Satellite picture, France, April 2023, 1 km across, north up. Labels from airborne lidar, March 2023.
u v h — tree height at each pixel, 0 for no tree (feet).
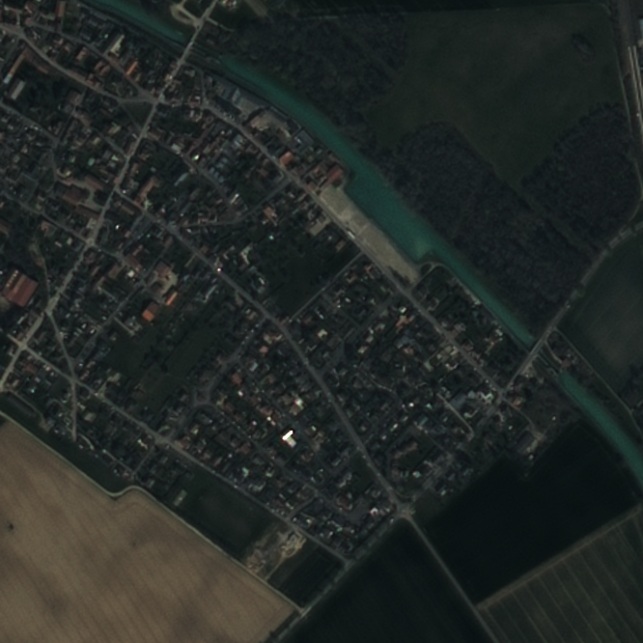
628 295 0
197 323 0
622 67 22
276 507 0
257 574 0
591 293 0
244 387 0
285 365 0
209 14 0
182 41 0
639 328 0
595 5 0
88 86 0
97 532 0
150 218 0
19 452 0
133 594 0
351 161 0
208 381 0
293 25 64
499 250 91
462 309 20
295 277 0
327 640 0
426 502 0
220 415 0
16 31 0
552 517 0
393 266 0
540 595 0
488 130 0
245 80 0
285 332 0
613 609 0
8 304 0
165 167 30
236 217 0
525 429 0
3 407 0
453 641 0
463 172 25
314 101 58
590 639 0
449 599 0
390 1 0
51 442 0
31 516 0
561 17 0
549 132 0
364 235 0
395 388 0
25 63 0
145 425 0
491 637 0
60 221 0
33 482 0
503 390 0
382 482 0
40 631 0
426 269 0
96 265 0
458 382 50
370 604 0
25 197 0
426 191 50
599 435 0
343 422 0
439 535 0
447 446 44
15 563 0
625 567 0
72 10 0
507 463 0
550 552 0
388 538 0
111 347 0
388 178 86
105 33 0
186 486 0
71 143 35
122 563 0
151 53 21
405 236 0
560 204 62
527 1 0
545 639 0
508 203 54
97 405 0
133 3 0
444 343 0
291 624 0
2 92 0
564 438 0
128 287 0
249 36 71
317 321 36
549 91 0
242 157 24
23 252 50
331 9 0
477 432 36
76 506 0
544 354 0
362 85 81
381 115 0
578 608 0
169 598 0
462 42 0
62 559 0
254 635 0
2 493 0
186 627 0
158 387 0
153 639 0
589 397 0
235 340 21
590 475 0
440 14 0
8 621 0
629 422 0
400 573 0
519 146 0
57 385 0
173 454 0
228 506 0
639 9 0
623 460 41
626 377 0
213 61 0
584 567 0
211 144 0
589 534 0
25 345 0
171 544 0
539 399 0
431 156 38
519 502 0
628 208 20
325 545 0
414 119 0
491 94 0
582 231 75
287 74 43
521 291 83
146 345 0
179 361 0
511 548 0
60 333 0
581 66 0
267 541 0
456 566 0
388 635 0
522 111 0
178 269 0
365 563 0
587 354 0
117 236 32
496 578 0
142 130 0
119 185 0
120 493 0
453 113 0
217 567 0
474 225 19
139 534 0
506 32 0
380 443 36
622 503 0
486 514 0
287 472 0
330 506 0
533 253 21
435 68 0
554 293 67
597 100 0
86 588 0
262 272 35
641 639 0
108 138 0
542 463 0
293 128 0
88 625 0
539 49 0
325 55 83
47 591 0
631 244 0
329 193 0
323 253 0
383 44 81
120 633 0
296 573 0
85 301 19
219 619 0
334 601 0
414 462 0
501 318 0
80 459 0
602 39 0
